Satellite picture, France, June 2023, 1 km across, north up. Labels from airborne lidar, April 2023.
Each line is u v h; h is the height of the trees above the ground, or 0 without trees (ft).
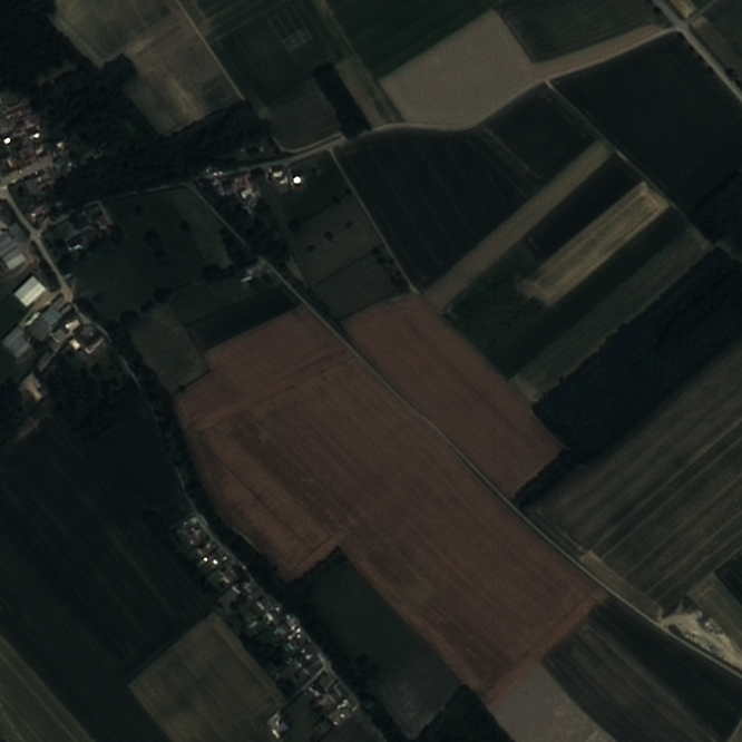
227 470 0
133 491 0
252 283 36
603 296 0
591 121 0
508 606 0
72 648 0
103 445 0
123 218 0
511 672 0
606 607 0
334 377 0
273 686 0
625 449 0
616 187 0
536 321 0
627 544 0
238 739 0
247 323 0
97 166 69
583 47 0
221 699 0
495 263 0
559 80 0
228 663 0
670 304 50
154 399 87
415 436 0
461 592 0
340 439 0
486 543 0
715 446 0
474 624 0
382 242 0
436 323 0
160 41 0
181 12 0
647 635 0
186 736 0
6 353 0
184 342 0
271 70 0
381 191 0
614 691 0
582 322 0
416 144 0
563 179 0
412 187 0
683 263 0
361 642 0
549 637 0
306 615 73
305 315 0
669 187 0
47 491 0
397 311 0
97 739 0
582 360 0
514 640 0
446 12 0
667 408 0
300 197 0
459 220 0
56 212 40
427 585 0
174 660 0
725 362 0
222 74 0
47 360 0
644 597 0
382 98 0
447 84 0
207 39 0
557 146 0
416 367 0
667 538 0
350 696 0
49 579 0
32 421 0
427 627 0
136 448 0
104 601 0
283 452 0
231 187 0
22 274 0
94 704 0
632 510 0
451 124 0
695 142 0
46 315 0
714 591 0
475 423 0
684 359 66
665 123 0
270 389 0
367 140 0
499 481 0
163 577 0
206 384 0
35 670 0
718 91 0
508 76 0
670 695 0
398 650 0
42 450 0
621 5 0
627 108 0
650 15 0
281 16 0
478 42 0
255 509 0
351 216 0
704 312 73
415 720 0
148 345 0
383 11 0
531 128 0
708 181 0
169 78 0
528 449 0
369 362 0
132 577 0
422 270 0
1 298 0
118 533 0
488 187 0
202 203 0
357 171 0
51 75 0
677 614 0
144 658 0
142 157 47
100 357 0
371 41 0
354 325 0
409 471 0
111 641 0
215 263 0
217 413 0
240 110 54
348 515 0
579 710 0
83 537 0
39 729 0
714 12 0
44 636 0
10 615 0
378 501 0
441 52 0
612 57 0
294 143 0
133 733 0
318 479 0
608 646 0
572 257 0
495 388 0
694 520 0
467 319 0
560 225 0
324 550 0
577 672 0
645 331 68
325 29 0
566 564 0
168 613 0
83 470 0
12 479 0
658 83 0
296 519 0
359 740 0
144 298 0
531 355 0
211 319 0
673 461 0
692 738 0
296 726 0
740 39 0
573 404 72
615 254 0
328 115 0
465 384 0
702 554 0
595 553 0
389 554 0
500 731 29
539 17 0
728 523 0
